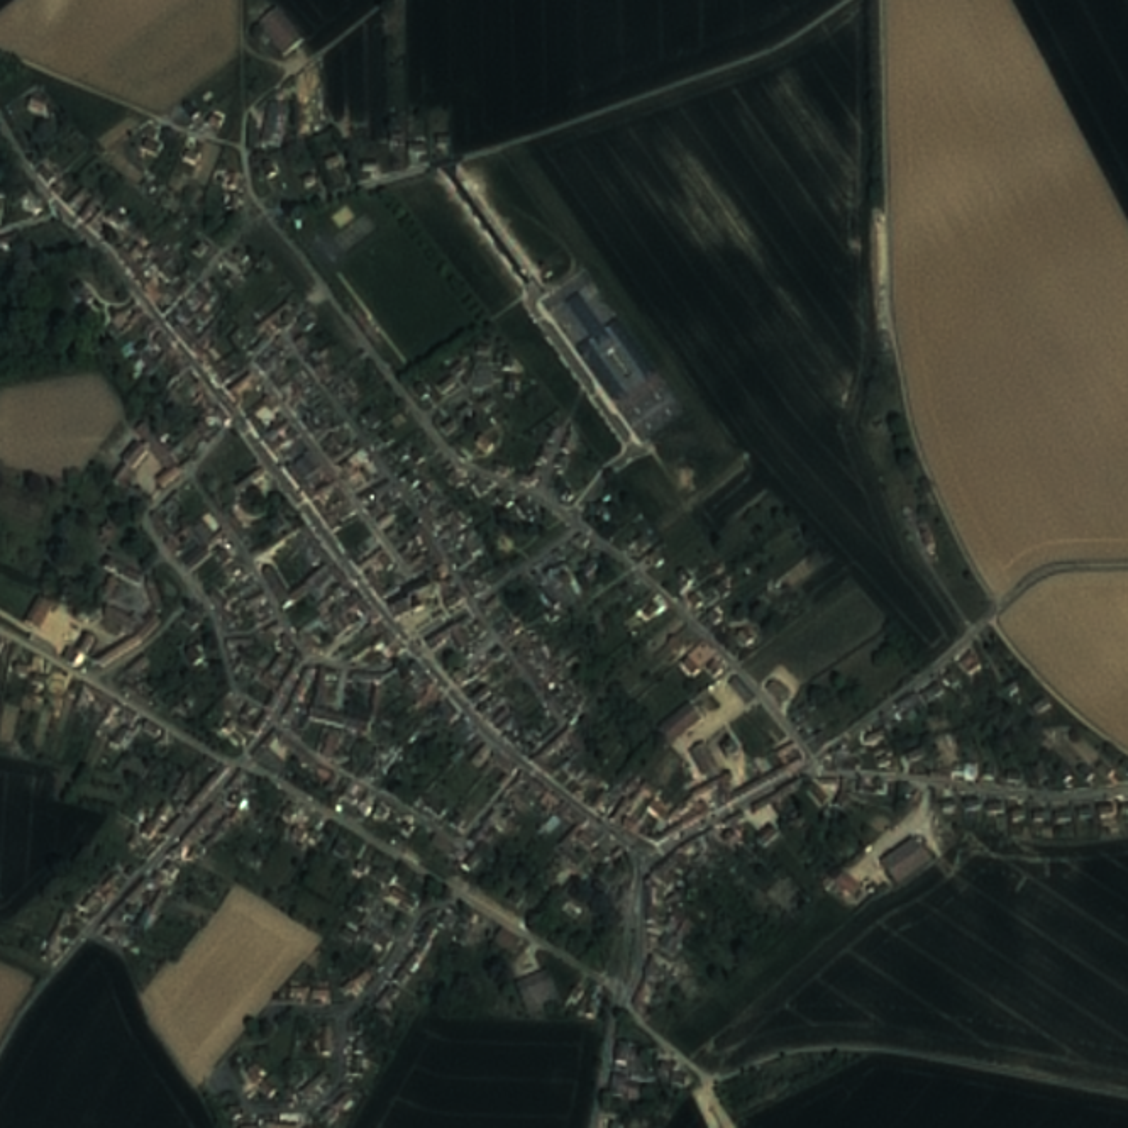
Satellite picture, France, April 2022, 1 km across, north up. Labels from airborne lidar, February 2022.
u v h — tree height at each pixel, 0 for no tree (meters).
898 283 0
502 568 8
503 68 0
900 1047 0
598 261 0
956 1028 0
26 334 22
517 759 0
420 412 0
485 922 0
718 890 7
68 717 0
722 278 0
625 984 0
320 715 0
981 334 0
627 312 0
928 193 0
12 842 0
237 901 0
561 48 0
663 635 0
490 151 0
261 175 10
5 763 0
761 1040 0
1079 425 0
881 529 0
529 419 0
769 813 0
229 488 10
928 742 7
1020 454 0
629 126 0
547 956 0
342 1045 0
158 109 0
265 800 0
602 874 8
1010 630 0
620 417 0
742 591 0
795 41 0
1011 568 0
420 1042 0
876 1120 0
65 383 0
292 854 0
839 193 0
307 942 0
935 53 0
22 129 0
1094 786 0
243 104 0
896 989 0
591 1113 0
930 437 0
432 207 0
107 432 0
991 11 0
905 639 10
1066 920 0
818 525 0
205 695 9
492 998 0
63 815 0
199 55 0
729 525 0
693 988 0
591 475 0
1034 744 8
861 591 0
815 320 0
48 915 0
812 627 0
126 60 0
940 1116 0
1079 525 0
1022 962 0
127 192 0
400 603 0
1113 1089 0
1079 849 0
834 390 0
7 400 0
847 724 0
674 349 0
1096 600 0
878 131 5
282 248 0
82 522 12
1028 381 0
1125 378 0
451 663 16
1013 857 0
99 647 0
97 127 0
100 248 0
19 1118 0
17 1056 0
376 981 0
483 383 0
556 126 0
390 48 6
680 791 0
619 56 0
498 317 0
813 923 0
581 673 15
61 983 0
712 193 0
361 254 0
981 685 11
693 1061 0
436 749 16
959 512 0
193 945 0
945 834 0
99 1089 0
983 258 0
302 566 0
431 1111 0
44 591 18
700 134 0
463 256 0
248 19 0
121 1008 0
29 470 0
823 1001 0
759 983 0
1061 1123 0
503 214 0
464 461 0
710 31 0
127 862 0
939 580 0
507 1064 0
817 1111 0
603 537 11
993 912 0
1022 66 0
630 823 0
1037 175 0
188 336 0
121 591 0
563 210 0
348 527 0
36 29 0
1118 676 0
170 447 0
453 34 0
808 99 0
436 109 0
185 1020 0
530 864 8
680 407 0
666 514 0
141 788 9
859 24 0
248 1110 0
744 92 0
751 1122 0
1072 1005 0
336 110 0
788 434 0
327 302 0
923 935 0
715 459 0
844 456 0
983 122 0
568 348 0
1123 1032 0
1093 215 0
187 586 0
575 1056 0
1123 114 0
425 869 0
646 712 10
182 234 0
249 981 0
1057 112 0
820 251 0
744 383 0
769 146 0
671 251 0
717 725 0
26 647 0
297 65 0
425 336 0
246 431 0
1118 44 0
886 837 0
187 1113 0
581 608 9
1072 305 0
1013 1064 0
